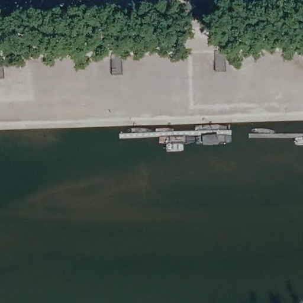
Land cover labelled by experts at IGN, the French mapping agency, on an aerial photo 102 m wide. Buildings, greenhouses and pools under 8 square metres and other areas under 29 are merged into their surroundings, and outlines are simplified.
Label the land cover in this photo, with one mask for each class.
<instances>
[{"label":"water","instance_id":"1","mask_svg":"<svg viewBox=\"0 0 303 303\"><path fill-rule=\"evenodd\" d=\"M0 303H303V121L133 124L88 128H0Z\"/></svg>","mask_w":303,"mask_h":303},{"label":"impervious surface","instance_id":"2","mask_svg":"<svg viewBox=\"0 0 303 303\"><path fill-rule=\"evenodd\" d=\"M147 1L156 4L159 0H0V7L6 6L11 13L17 9L26 11L28 8H36L49 11L57 7L67 11L69 7L108 4L120 5L125 9L128 4L140 6L141 2ZM183 2L193 15L194 37L186 40V49L191 50L186 59L172 62L170 58L173 51H168L165 57L146 52L138 60H134V52H130L129 57L124 59L116 56L114 51H108L107 56L98 62L89 63L85 69L76 70L75 63L69 56L63 59L56 58L54 65L49 66L43 63L44 57L40 53L37 58L27 59L24 66H4L2 69L0 67V128H88L133 124L303 121V56L296 52L291 60H285L282 57V49L276 47L273 53L260 51L258 59L246 57L241 62L240 69H236L227 62L226 54L219 51L218 46L208 45V31H200L198 20L218 9L215 0H178Z\"/></svg>","mask_w":303,"mask_h":303},{"label":"deciduous trees","instance_id":"3","mask_svg":"<svg viewBox=\"0 0 303 303\"><path fill-rule=\"evenodd\" d=\"M193 15L183 2L178 0H159L156 4L147 1L141 2L140 6L128 4L125 9L120 5L108 4L69 7L67 11L57 7L49 11L36 8H28L26 11L17 9L11 13L6 6L0 7V67L2 69L4 66H24L27 59L37 58L40 53L44 57L43 63L49 66L54 65L56 58L63 59L69 56L75 63L76 70L85 69L89 63L98 62L107 56L108 51H114L116 56L124 59L129 57L130 52H134V60H138L146 52L165 57L168 51H173L170 58L172 62L186 59L191 50L186 49V40L194 37ZM218 9L198 20L200 31H208V45L218 46L219 51L226 54L227 62L236 69H240L241 62L246 57L258 59L260 51L273 53L276 47L282 49V57L285 60H291L296 52L303 56V0H215Z\"/></svg>","mask_w":303,"mask_h":303}]
</instances>
